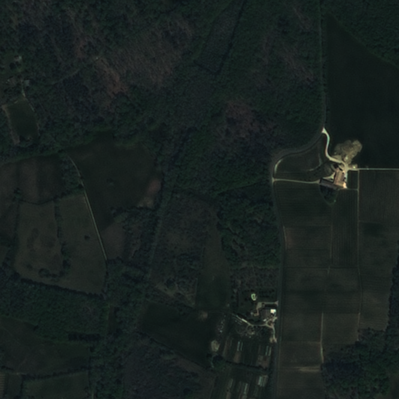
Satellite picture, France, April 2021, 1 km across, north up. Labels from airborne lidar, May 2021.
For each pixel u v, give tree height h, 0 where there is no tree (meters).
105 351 20
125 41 20
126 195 0
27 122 0
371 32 21
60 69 17
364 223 0
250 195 6
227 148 13
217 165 21
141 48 18
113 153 0
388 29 17
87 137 23
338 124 0
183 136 7
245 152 16
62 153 16
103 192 0
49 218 0
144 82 18
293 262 0
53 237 0
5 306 20
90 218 0
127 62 17
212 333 0
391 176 0
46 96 16
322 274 0
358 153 0
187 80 19
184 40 27
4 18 17
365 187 0
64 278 19
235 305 6
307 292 0
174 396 8
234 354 0
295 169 0
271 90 15
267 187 7
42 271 10
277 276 11
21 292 21
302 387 0
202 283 0
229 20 19
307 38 16
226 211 19
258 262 17
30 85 13
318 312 0
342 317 0
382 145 0
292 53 17
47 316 24
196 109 20
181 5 21
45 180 0
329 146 0
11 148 17
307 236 0
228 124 11
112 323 0
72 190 8
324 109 16
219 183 17
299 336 0
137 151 0
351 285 0
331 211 0
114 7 20
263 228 18
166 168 20
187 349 0
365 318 0
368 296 0
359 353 10
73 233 0
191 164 22
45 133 21
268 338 0
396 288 13
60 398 0
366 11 17
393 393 0
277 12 15
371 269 0
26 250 0
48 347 0
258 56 18
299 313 0
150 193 0
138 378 6
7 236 0
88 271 0
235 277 9
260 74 10
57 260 0
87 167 0
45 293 19
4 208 0
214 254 0
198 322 0
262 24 19
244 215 21
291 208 0
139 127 17
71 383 0
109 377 22
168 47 15
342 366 18
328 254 0
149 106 22
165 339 0
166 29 20
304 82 13
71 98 20
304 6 16
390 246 0
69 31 26
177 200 8
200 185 10
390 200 0
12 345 0
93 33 11
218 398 0
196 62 16
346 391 15
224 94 18
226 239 25
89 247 0
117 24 23
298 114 20
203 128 19
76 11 24
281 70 15
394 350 16
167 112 26
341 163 0
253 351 0
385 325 0
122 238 0
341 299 0
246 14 24
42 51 22
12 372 8
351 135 0
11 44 18
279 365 0
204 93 22
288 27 22
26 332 0
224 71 24
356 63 0
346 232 0
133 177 0
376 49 23
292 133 10
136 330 7
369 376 22
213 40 17
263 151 15
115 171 0
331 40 0
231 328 0
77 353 0
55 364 0
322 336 0
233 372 0
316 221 0
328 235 0
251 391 0
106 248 0
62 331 20
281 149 7
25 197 0
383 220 0
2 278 22
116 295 26
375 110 0
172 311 0
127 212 14
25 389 16
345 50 0
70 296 21
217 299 0
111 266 19
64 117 21
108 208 0
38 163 0
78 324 21
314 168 0
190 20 21
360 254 0
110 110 15
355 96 0
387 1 20
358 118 0
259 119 12
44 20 17
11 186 0
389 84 0
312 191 0
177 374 7
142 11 20
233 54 18
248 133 8
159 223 17
